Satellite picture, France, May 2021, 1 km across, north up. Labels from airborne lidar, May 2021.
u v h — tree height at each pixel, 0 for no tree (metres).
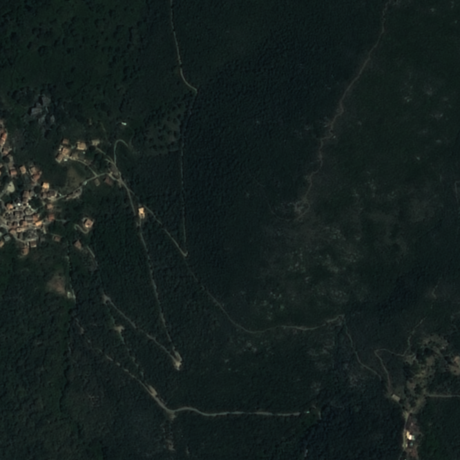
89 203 6
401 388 0
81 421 15
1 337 11
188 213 8
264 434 8
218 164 9
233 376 7
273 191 6
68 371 14
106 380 9
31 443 11
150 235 9
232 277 6
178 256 8
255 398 14
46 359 11
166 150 8
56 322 17
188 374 10
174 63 6
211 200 7
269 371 9
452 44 6
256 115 8
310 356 8
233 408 12
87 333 15
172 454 7
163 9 6
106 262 11
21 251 6
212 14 7
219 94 8
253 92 9
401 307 6
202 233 7
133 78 16
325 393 15
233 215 7
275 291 11
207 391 9
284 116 6
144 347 8
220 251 11
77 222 7
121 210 9
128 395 7
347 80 6
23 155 0
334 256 6
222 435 7
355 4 6
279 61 9
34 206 12
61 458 12
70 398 17
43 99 0
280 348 6
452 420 6
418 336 6
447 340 10
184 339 10
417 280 5
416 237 6
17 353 13
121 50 14
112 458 16
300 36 6
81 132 0
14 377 6
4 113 11
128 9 11
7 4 23
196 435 12
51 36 12
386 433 8
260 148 6
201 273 7
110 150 8
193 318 9
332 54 5
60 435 11
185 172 8
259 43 6
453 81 6
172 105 8
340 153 6
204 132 9
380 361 5
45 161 0
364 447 13
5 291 6
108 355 9
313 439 11
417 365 8
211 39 6
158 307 9
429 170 6
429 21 6
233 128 7
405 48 6
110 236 9
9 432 7
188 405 11
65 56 8
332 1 7
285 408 9
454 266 5
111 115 14
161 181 5
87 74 7
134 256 10
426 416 10
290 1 7
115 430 11
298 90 6
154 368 5
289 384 10
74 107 13
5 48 15
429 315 5
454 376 7
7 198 0
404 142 6
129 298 10
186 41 6
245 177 5
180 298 8
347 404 17
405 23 6
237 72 7
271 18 8
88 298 11
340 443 7
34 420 14
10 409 6
